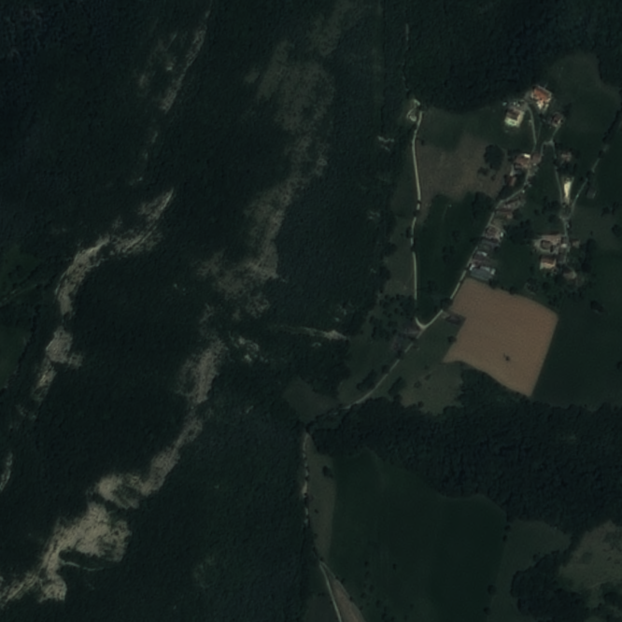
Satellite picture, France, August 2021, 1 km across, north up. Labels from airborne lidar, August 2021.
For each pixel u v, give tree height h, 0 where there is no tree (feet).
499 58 74
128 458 46
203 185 71
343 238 54
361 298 36
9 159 64
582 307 0
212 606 27
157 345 66
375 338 29
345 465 0
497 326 0
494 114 0
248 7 59
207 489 29
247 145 55
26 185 58
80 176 50
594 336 0
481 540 0
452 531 0
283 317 32
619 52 55
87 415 91
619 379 0
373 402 49
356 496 0
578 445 30
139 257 24
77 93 80
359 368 0
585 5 54
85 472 50
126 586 27
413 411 52
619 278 0
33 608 37
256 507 24
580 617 39
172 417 68
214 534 37
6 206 47
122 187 33
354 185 40
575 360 0
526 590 71
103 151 71
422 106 33
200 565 19
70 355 21
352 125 49
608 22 60
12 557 41
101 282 45
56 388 71
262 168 50
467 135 0
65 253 28
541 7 91
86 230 30
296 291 36
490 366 0
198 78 22
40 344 70
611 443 44
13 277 42
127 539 31
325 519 0
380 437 73
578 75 0
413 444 77
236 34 60
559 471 92
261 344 20
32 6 66
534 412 51
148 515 40
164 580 37
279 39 40
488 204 36
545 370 0
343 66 34
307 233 34
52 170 64
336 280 38
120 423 63
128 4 51
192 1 34
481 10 28
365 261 33
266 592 34
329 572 0
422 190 0
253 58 27
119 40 74
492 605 0
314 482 0
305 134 23
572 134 0
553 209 40
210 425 28
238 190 56
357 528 0
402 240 0
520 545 0
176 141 46
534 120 0
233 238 27
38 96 63
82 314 70
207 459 36
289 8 46
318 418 38
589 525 54
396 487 0
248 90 19
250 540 46
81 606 40
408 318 24
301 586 32
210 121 56
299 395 0
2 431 55
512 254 0
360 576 0
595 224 0
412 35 43
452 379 0
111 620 36
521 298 0
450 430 36
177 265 36
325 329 30
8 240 41
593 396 0
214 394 26
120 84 25
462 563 0
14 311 19
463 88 88
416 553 0
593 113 0
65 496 57
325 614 0
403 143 50
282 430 32
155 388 44
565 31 35
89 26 56
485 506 0
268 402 44
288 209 20
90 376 34
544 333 0
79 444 78
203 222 62
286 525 30
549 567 69
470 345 0
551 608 90
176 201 37
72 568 36
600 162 0
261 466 24
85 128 54
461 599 0
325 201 39
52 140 54
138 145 38
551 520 59
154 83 26
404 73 29
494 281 25
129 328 79
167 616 31
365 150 42
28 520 38
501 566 0
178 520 51
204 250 37
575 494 85
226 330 31
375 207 34
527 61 91
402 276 0
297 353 46
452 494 49
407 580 0
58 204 45
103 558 23
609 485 71
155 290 45
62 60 76
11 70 89
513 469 79
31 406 49
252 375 27
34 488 53
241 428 19
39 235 25
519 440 51
